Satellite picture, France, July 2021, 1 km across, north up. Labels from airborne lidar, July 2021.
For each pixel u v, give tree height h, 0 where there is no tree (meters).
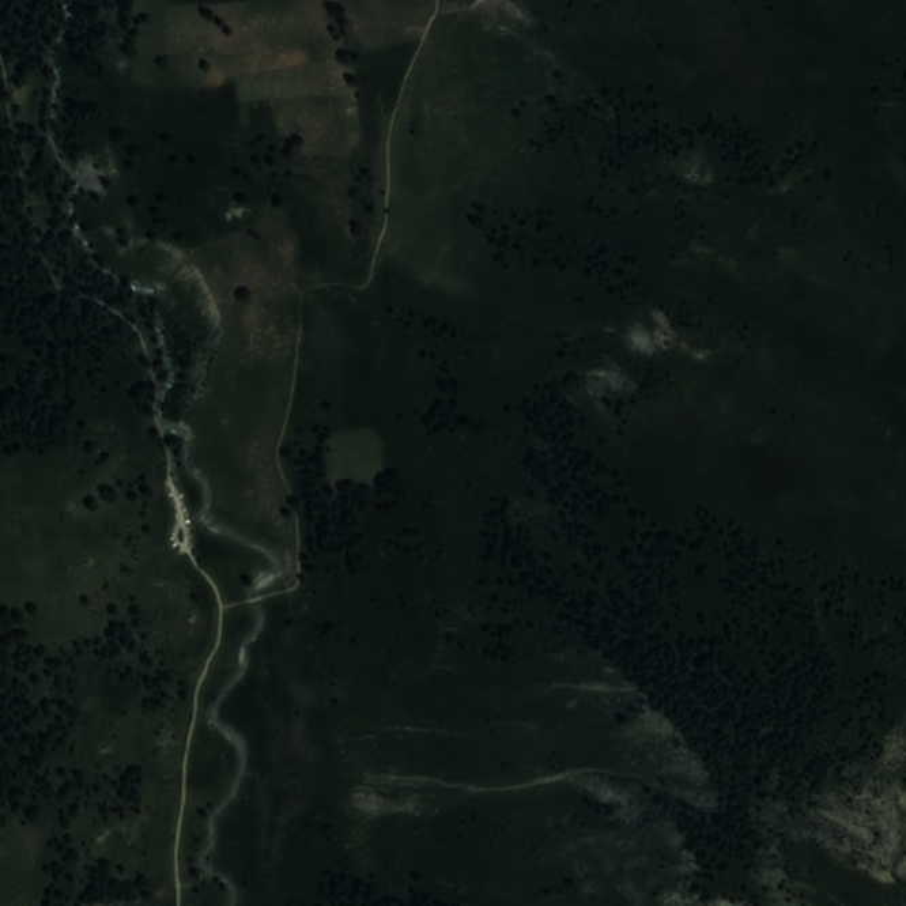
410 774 0
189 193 0
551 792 0
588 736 0
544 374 0
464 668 0
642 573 13
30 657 11
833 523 0
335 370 0
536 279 0
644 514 12
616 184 0
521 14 0
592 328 0
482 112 0
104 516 0
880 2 0
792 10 0
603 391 0
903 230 0
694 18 0
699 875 9
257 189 0
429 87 0
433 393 0
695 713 16
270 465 0
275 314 0
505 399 0
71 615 0
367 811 0
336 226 0
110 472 0
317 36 0
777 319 0
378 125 0
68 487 0
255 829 0
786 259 0
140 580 0
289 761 0
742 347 0
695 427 0
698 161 0
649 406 0
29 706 17
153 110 0
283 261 0
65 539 0
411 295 0
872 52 0
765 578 12
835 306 0
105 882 22
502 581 10
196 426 0
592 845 0
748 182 9
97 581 0
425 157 0
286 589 0
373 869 0
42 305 24
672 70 0
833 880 0
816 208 0
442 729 0
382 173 0
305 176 0
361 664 0
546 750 0
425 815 0
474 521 0
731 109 0
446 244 0
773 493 0
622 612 13
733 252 0
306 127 0
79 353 20
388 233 0
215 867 0
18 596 0
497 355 0
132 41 15
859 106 0
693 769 0
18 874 0
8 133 23
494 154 0
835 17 0
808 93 0
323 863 0
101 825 0
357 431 0
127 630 14
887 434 0
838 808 0
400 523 0
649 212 0
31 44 22
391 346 0
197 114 0
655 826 0
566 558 0
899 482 0
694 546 13
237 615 0
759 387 0
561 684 0
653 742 0
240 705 0
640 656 11
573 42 0
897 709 0
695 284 0
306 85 0
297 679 0
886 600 10
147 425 0
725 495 0
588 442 0
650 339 0
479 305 0
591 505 9
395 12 0
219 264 0
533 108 0
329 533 22
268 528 0
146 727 0
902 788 0
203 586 0
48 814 0
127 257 0
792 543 0
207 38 0
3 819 8
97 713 0
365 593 0
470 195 0
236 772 0
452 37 0
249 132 0
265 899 0
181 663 0
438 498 0
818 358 0
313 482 10
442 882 0
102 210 0
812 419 0
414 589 0
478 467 0
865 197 0
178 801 0
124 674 13
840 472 0
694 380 0
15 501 0
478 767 0
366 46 0
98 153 0
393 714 0
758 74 0
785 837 6
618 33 0
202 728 0
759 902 9
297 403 0
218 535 0
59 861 11
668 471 0
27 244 17
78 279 18
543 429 11
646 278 0
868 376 0
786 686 13
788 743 13
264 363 0
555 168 0
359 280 0
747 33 0
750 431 0
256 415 0
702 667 19
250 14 0
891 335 0
